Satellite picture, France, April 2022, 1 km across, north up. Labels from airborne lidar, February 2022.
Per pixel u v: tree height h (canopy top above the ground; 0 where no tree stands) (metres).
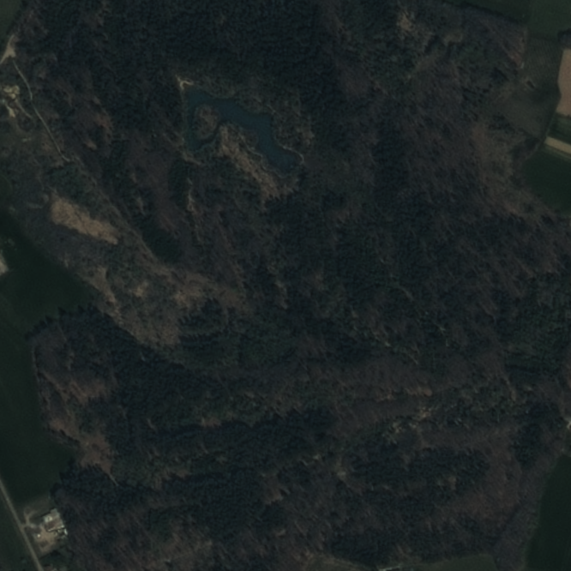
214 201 18
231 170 20
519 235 17
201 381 11
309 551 22
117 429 28
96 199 12
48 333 30
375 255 8
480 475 24
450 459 23
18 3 0
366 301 21
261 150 0
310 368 13
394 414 18
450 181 15
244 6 28
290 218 19
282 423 28
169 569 17
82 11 21
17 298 0
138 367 25
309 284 22
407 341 16
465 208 15
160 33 18
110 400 8
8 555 0
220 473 0
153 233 11
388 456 27
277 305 20
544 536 0
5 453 0
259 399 17
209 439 24
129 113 29
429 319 8
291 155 0
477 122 14
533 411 17
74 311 0
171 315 0
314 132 11
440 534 25
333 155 13
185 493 27
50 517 0
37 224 6
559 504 0
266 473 24
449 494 22
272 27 27
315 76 21
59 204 0
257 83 11
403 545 21
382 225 8
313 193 11
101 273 0
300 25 28
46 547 0
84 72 23
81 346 25
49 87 17
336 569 0
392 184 24
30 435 0
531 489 29
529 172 0
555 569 0
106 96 7
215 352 25
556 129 0
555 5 0
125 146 11
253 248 25
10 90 0
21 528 0
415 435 18
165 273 0
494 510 18
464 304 25
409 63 12
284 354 18
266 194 0
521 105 0
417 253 23
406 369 16
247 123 0
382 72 15
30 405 0
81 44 21
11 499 0
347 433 14
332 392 17
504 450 18
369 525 17
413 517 22
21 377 0
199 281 0
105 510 27
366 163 13
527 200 0
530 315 18
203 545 15
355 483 15
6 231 0
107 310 0
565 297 18
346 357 26
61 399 26
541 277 13
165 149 12
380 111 23
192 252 24
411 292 9
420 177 13
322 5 19
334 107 28
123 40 12
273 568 22
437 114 28
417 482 17
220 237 22
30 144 0
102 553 24
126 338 20
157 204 19
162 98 22
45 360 23
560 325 12
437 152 16
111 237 0
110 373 18
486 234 17
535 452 26
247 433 28
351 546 25
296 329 19
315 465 13
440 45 22
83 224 0
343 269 25
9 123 0
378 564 24
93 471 0
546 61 0
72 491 25
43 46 21
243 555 25
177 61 24
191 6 31
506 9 0
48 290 0
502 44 31
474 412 13
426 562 21
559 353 9
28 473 0
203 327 24
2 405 0
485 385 13
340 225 16
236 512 25
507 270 24
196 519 14
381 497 24
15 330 0
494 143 0
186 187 12
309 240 23
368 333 19
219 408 17
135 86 10
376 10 16
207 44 33
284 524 17
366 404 16
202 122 8
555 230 29
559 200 0
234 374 14
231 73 14
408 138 18
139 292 0
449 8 17
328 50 19
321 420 28
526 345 21
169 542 18
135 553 20
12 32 12
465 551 22
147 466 19
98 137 22
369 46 11
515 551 27
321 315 16
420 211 25
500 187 0
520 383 21
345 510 24
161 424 9
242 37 28
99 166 17
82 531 21
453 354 11
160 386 17
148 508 24
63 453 0
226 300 0
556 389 19
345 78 24
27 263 0
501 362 16
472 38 17
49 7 20
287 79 28
